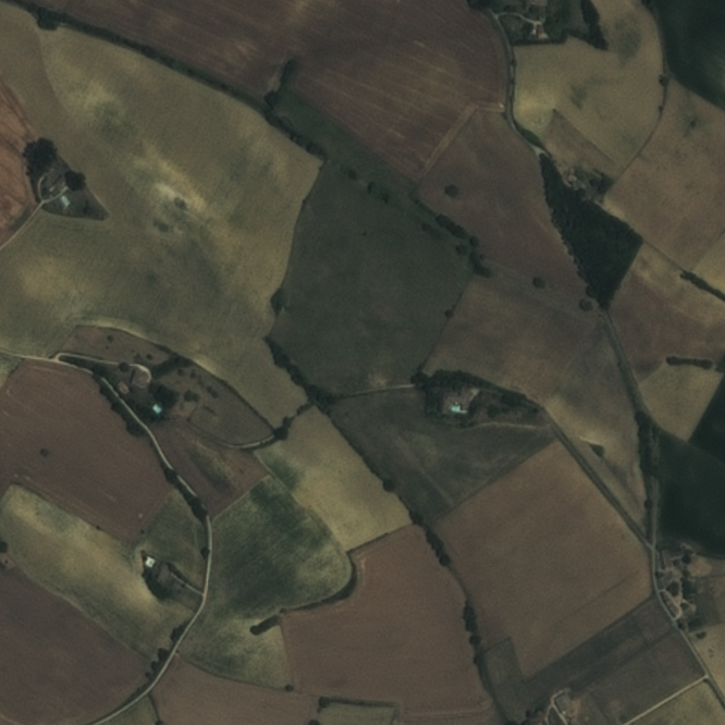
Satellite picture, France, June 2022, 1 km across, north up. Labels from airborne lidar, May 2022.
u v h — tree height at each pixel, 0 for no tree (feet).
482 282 0
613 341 0
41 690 0
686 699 0
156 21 0
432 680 0
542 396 0
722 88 0
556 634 0
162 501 0
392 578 0
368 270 0
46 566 0
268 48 0
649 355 0
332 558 0
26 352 0
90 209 30
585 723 0
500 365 0
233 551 0
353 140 0
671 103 0
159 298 0
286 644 0
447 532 0
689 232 0
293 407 0
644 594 0
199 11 0
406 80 0
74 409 0
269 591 0
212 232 0
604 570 0
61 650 0
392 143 0
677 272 0
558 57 0
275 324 0
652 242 0
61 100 0
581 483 0
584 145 0
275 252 0
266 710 0
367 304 0
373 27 0
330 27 0
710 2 0
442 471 0
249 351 0
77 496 0
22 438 0
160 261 0
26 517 0
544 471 0
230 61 0
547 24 28
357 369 0
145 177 0
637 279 0
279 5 0
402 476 0
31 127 0
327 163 0
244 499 0
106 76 0
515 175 0
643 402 0
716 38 0
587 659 0
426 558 0
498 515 0
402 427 0
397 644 0
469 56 0
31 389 0
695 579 0
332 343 0
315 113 0
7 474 0
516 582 0
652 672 0
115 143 0
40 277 0
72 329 0
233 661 0
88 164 0
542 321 0
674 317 0
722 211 0
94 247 0
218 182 0
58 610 0
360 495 0
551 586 0
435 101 0
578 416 0
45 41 0
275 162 0
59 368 0
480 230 0
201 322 0
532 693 0
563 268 0
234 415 0
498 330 0
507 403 33
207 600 0
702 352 0
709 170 0
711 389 0
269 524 0
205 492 0
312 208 0
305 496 0
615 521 0
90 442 0
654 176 0
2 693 0
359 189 0
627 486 0
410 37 0
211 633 0
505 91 0
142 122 0
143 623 0
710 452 0
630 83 0
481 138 0
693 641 0
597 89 0
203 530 0
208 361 0
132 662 0
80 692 0
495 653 0
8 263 0
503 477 0
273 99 73
